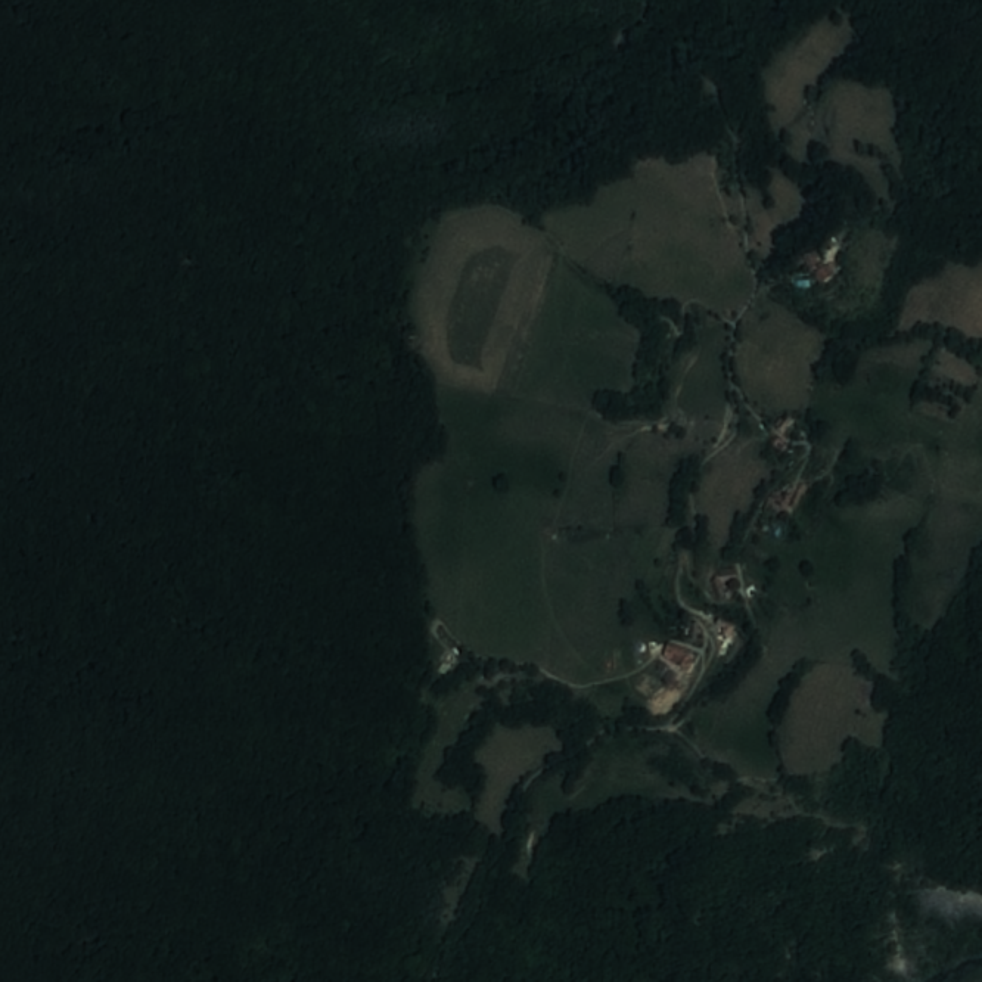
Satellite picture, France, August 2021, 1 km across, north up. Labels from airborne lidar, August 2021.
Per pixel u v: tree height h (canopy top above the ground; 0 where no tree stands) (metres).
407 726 14
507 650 0
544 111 18
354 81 20
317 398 26
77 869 19
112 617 26
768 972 15
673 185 0
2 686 23
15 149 32
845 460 9
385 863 18
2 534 27
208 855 18
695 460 14
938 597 0
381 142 13
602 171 17
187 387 25
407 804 19
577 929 25
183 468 25
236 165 22
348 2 12
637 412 9
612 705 0
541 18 11
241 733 10
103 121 25
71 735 12
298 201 20
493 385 0
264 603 20
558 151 9
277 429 17
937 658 19
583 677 0
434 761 0
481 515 0
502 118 22
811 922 12
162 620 22
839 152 0
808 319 11
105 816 21
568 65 24
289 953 11
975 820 18
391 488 16
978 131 24
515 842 12
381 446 15
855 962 14
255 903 15
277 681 18
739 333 10
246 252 18
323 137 25
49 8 25
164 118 26
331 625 10
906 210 15
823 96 15
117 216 19
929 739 20
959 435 0
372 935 15
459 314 0
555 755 14
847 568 0
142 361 22
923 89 18
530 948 21
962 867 21
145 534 27
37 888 16
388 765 9
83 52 21
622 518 0
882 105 0
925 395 13
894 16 19
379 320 25
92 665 9
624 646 0
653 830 16
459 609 0
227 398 22
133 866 18
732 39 22
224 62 22
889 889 8
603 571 0
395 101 19
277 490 12
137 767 20
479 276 0
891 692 19
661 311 11
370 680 15
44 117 23
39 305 22
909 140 20
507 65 22
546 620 0
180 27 15
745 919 10
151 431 25
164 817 16
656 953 20
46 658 29
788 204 0
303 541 14
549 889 18
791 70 0
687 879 19
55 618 30
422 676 10
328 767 17
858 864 13
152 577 26
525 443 0
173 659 22
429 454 10
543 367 0
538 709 16
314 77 20
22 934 25
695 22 25
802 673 7
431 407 16
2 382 24
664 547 0
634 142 15
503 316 0
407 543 17
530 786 6
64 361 22
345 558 14
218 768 21
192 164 15
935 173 9
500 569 0
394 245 16
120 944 19
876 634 0
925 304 0
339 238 20
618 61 23
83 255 24
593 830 22
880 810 14
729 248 0
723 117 18
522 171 17
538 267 0
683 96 15
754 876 18
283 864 18
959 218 17
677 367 0
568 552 0
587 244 0
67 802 19
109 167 13
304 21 21
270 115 22
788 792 7
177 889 16
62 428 18
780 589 0
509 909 11
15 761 18
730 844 14
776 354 0
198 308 21
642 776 0
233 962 10
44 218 24
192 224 28
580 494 0
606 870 28
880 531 0
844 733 0
